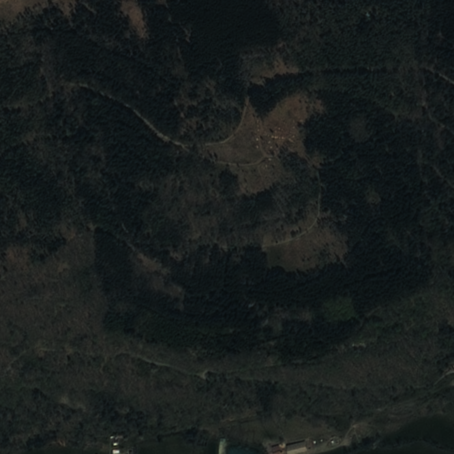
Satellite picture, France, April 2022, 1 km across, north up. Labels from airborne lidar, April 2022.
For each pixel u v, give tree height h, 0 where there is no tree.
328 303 16
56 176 25
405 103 28
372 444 16
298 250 0
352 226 24
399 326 11
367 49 25
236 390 16
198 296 8
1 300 20
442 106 19
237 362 18
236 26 24
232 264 29
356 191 29
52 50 29
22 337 22
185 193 11
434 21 24
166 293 15
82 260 22
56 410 23
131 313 23
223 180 20
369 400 27
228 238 14
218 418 17
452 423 0
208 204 14
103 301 16
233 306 29
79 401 18
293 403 23
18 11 0
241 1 21
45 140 25
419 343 17
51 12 22
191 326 8
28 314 12
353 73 26
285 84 25
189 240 8
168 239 21
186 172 22
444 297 23
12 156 27
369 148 21
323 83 26
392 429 0
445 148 17
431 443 18
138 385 15
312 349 12
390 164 28
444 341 10
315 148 31
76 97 27
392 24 30
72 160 18
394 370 18
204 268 19
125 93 21
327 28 17
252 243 6
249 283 21
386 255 35
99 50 20
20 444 21
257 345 7
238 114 24
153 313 8
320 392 25
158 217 21
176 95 11
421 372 21
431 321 25
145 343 17
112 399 22
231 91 28
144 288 21
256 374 19
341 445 0
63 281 12
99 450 0
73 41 24
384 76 27
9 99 23
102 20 25
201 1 21
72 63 28
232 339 8
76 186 20
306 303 32
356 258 25
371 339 22
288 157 25
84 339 17
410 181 33
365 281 25
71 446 13
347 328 31
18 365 17
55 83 23
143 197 22
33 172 28
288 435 0
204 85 11
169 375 21
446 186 8
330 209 21
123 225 25
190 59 18
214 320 21
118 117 22
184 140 12
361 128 21
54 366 19
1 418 27
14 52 23
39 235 24
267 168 0
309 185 24
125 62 19
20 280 20
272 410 21
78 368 20
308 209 13
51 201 29
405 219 32
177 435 8
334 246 0
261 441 0
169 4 17
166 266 22
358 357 24
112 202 18
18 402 26
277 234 16
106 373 19
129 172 13
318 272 19
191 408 23
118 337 18
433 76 21
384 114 25
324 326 30
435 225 31
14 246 27
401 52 28
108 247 19
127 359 18
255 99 28
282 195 19
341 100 22
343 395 22
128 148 17
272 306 12
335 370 18
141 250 20
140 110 15
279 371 18
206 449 0
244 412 20
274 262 0
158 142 22
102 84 24
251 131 0
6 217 26
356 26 26
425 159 20
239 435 0
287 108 0
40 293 12
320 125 30
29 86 26
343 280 33
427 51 20
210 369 22
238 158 0
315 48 26
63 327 20
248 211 23
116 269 19
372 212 28
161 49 19
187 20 20
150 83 18
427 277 29
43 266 22
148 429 6
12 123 22
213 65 24
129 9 0
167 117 14
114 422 22
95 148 31
